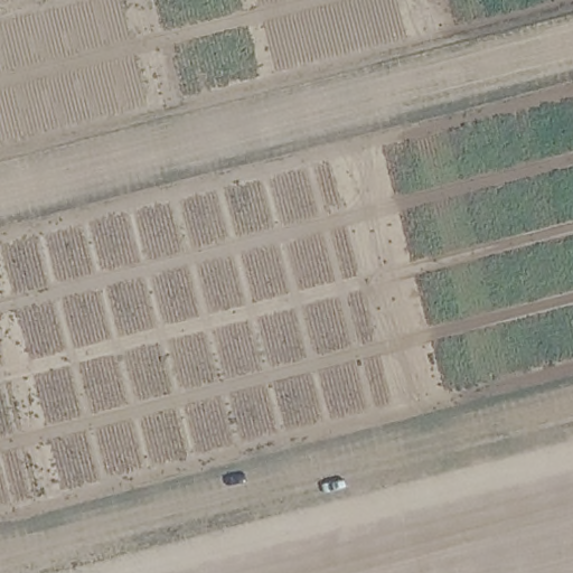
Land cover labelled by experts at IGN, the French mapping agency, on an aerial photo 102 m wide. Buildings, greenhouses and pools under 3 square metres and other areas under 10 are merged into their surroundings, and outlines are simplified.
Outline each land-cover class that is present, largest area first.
<instances>
[{"label":"agricultural land","instance_id":"1","mask_svg":"<svg viewBox=\"0 0 573 573\"><path fill-rule=\"evenodd\" d=\"M237 27H246L253 38L257 76L228 81L226 85H215L197 94H184L179 90V72L172 67L175 45ZM0 573H573V0H242V7L237 11H231L228 16L199 20L181 27H163L154 0H0Z\"/></svg>","mask_w":573,"mask_h":573},{"label":"herbaceous vegetation","instance_id":"2","mask_svg":"<svg viewBox=\"0 0 573 573\"><path fill-rule=\"evenodd\" d=\"M163 27H181L199 20L228 16L231 11H237L242 7V0H154ZM172 67L179 72V90L184 94H197L215 85H226L228 81L257 76L253 38L246 27H237L175 45Z\"/></svg>","mask_w":573,"mask_h":573}]
</instances>
